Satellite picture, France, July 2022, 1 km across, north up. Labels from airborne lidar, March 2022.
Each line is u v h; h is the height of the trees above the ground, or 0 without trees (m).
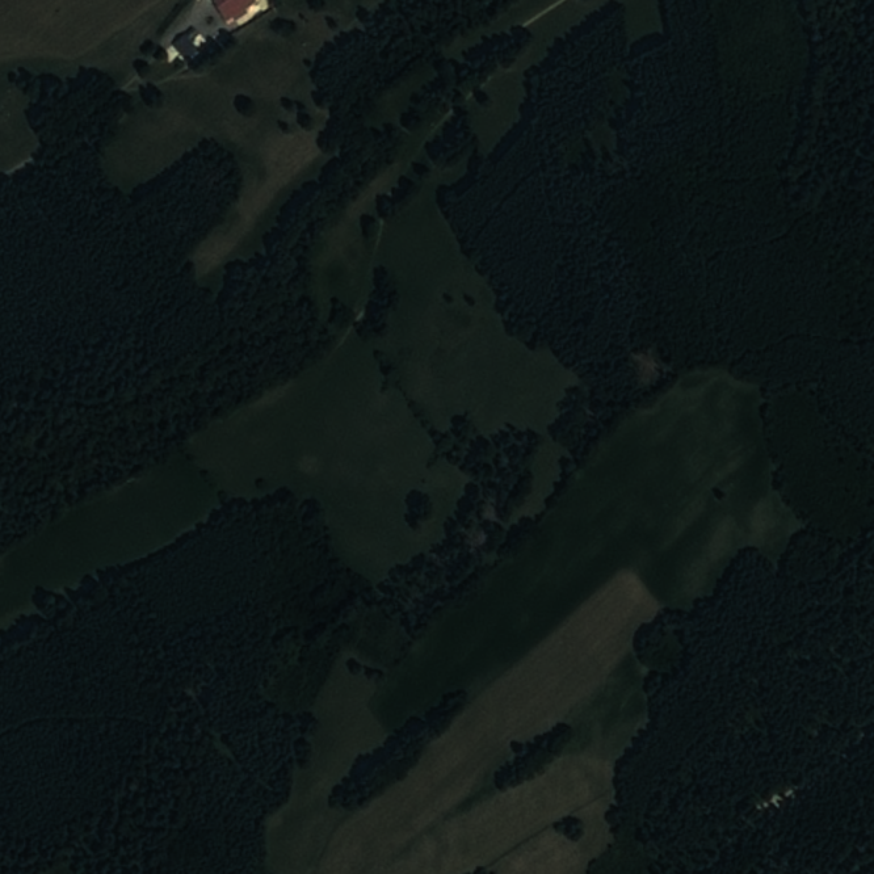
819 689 31
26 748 17
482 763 0
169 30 0
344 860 0
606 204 16
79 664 17
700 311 14
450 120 0
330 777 0
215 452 0
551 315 27
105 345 29
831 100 31
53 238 23
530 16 0
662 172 13
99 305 18
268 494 0
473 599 14
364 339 8
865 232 19
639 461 0
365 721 0
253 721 35
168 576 12
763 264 15
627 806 22
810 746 28
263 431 0
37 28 0
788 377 15
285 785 21
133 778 6
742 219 11
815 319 14
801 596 26
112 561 0
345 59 23
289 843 0
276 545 11
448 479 0
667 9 19
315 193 27
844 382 16
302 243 27
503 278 22
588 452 27
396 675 0
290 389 0
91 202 21
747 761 31
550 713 0
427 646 0
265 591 11
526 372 0
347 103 24
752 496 0
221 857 19
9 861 23
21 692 18
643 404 22
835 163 25
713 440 0
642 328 19
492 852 0
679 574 0
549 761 19
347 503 0
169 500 0
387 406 0
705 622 27
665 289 14
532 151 20
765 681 29
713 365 14
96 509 0
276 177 0
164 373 14
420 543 0
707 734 24
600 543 0
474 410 0
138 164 0
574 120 23
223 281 0
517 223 21
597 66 21
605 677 0
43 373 17
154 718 15
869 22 29
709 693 26
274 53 0
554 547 0
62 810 16
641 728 0
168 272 14
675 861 30
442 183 0
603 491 0
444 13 26
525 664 0
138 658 20
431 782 0
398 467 0
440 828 0
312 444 0
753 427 0
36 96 20
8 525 29
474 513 15
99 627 19
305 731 27
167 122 0
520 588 0
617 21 23
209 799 31
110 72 0
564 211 26
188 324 22
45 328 23
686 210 15
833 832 28
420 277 0
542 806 0
